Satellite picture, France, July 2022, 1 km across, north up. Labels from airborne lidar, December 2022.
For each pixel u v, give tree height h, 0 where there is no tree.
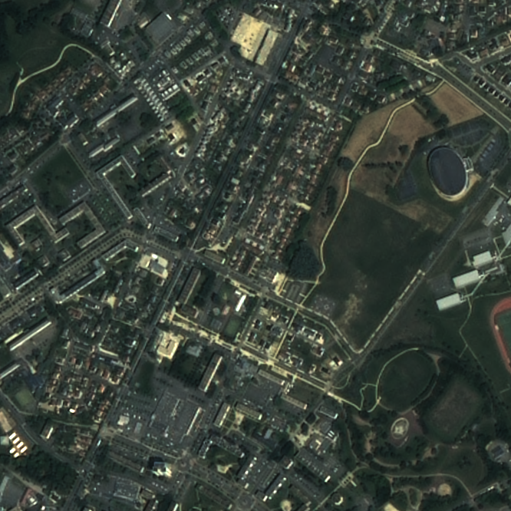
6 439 0
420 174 0
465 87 0
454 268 0
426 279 0
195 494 0
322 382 0
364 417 13
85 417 11
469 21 0
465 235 0
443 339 0
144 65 0
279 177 0
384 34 0
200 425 0
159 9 0
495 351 0
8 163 0
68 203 0
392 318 0
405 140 0
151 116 12
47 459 14
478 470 0
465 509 11
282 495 13
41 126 7
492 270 0
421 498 0
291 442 9
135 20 0
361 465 12
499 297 0
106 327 13
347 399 0
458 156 0
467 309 0
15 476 0
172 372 9
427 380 0
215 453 16
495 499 14
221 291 0
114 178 0
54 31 0
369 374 0
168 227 0
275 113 0
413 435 0
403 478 8
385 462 0
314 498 0
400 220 0
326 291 0
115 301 0
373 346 0
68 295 0
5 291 0
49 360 15
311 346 0
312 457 0
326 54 0
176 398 0
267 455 17
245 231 0
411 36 0
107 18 0
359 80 0
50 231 0
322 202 0
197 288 0
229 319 0
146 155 8
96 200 6
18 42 0
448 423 0
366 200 0
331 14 7
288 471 13
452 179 0
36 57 0
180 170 0
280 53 0
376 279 0
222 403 0
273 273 0
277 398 13
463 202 0
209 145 9
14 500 0
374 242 0
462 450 0
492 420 0
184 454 0
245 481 0
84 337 11
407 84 14
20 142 10
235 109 0
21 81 0
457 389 0
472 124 0
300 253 19
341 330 0
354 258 0
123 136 0
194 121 8
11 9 12
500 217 0
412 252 0
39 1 0
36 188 0
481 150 0
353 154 0
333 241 0
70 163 0
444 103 0
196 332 0
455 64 0
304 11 0
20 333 14
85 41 11
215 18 16
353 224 0
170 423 0
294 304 0
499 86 0
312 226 0
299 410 0
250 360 8
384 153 0
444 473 0
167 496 12
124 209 0
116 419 0
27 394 0
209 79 0
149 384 0
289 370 0
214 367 0
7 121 15
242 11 0
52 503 0
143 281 6
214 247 0
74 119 0
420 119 0
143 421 0
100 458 10
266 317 0
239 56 9
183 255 0
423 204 0
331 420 0
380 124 0
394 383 0
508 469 12
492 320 0
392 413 14
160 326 11
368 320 0
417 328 0
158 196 0
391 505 0
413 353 0
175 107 9
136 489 0
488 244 0
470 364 7
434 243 0
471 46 0
